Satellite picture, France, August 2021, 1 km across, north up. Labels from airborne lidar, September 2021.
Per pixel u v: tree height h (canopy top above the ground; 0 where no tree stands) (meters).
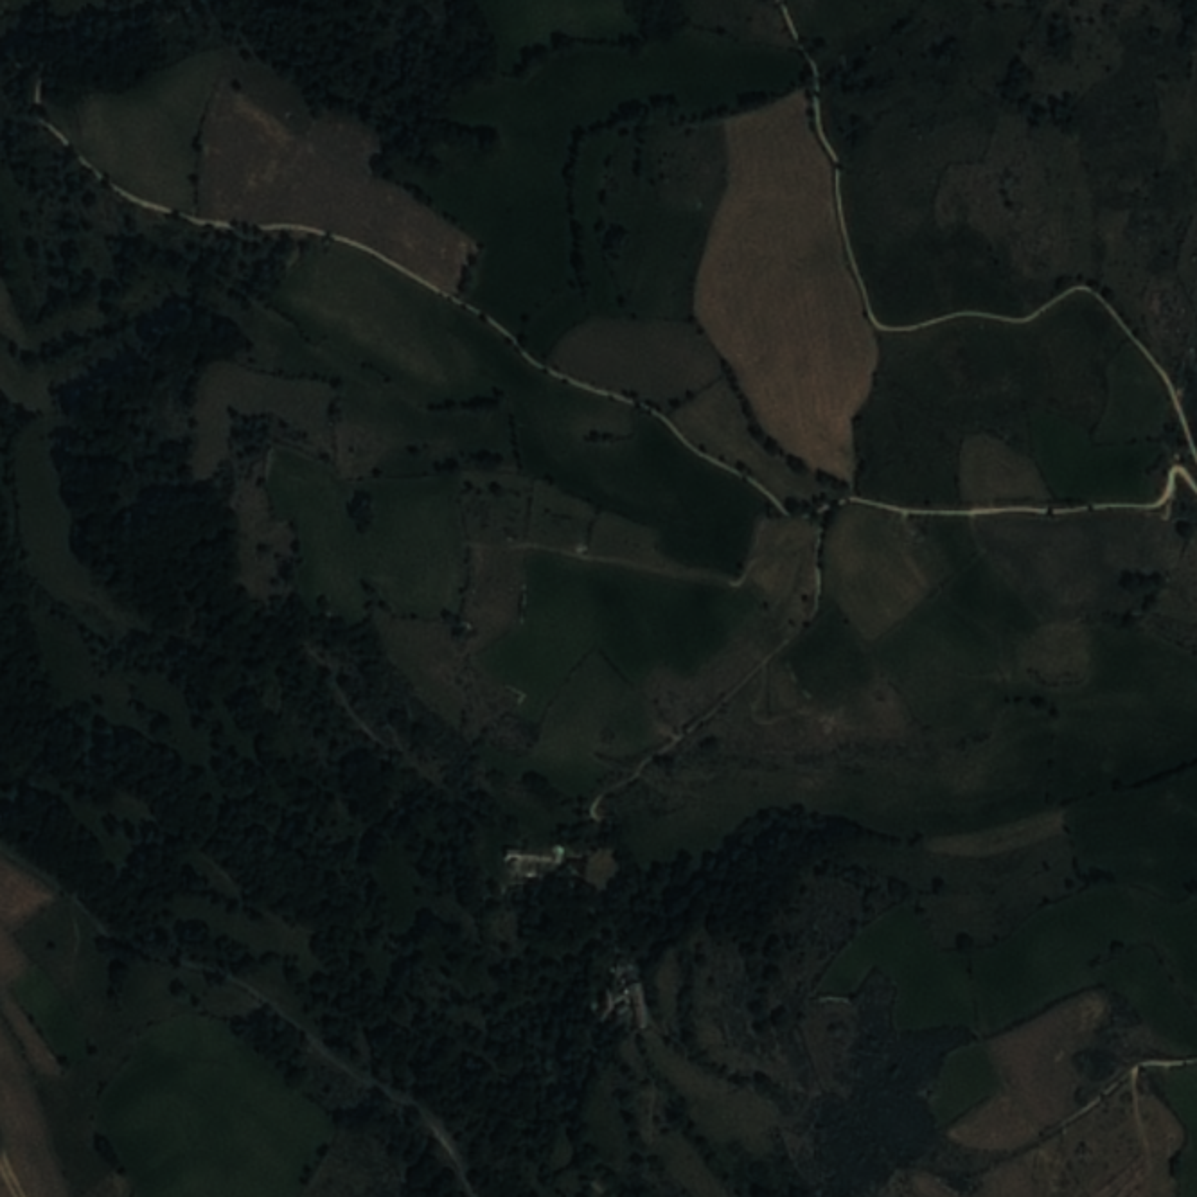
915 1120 0
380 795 22
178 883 16
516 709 0
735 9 0
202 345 15
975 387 0
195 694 18
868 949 0
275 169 0
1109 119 0
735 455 0
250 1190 0
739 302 0
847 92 10
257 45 11
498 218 0
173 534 27
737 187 0
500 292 0
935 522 0
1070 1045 0
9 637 19
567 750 0
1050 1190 0
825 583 0
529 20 0
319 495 0
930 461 0
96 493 22
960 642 0
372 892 19
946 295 0
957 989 0
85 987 0
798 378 0
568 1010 15
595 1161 13
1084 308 0
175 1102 0
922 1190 0
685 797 0
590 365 0
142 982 0
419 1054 10
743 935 15
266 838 16
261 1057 10
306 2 10
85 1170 0
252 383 0
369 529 7
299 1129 0
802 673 0
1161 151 0
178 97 0
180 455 10
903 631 0
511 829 16
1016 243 0
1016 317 0
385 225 0
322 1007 13
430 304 0
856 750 0
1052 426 0
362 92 11
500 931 0
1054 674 0
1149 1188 0
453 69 16
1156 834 0
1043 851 0
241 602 14
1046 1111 0
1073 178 0
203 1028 0
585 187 0
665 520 0
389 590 0
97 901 19
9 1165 0
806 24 0
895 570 0
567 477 0
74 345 18
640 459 0
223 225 0
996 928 0
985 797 0
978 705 0
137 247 14
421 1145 11
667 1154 0
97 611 0
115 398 7
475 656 0
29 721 18
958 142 0
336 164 0
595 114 0
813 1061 0
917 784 0
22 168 15
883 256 0
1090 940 0
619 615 0
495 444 0
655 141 0
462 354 0
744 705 0
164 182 0
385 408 0
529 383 0
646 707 0
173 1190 0
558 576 0
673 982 0
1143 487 0
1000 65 0
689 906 20
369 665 11
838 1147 0
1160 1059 0
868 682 0
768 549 0
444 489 0
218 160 0
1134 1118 0
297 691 16
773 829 12
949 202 0
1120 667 0
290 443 0
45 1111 0
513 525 0
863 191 0
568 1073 17
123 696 0
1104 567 0
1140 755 0
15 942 0
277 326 0
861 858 0
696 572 0
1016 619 0
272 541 0
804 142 0
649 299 0
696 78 0
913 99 0
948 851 0
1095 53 0
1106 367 0
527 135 0
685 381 0
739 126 0
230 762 18
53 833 17
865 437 0
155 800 15
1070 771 0
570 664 0
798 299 0
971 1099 0
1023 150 0
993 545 0
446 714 0
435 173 13
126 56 21
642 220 0
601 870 0
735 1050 0
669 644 0
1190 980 0
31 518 0
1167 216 0
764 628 0
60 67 17
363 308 0
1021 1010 0
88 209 16
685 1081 0
